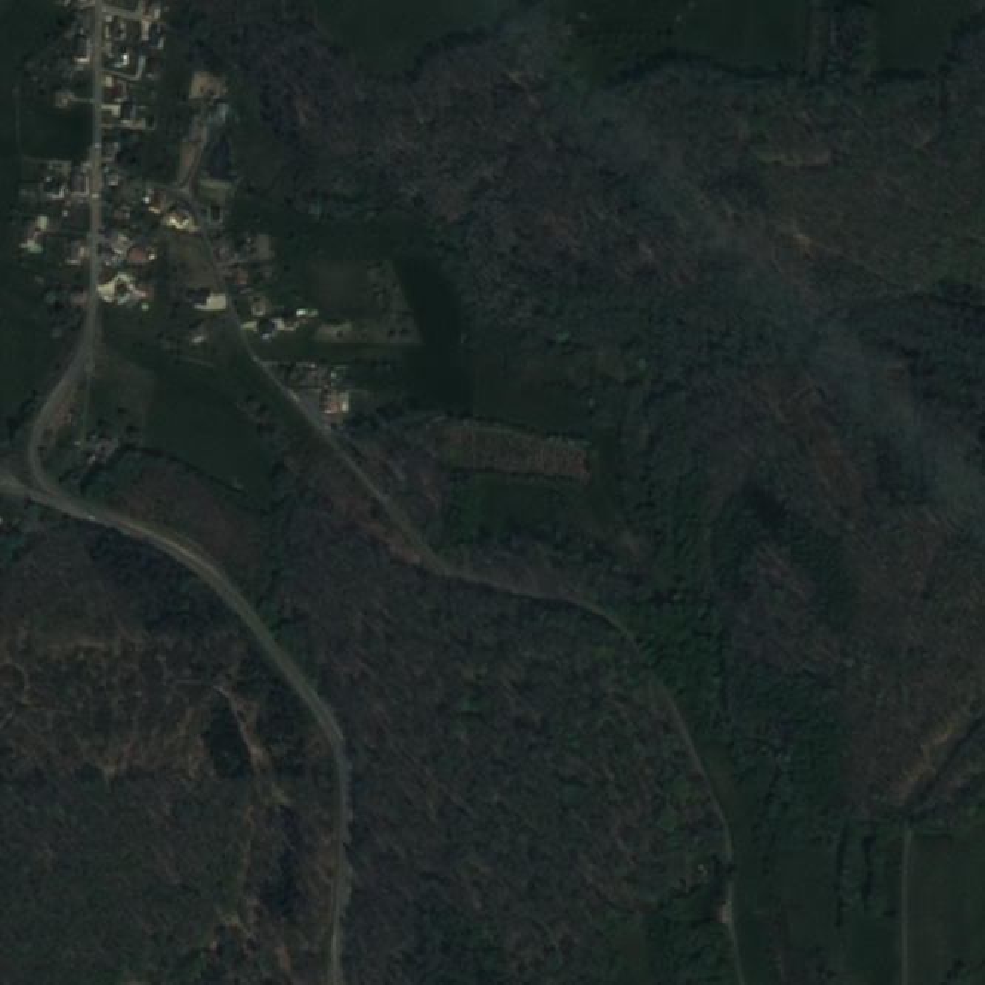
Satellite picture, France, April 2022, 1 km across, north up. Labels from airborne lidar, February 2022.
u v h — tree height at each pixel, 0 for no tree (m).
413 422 26
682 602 10
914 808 0
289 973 0
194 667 12
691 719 6
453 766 28
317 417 0
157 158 0
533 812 0
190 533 17
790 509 28
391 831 0
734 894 0
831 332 21
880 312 25
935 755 0
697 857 34
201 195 0
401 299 0
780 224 23
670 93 8
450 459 23
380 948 0
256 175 0
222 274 0
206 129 0
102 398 0
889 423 16
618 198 23
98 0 0
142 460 16
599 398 10
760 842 8
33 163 0
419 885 0
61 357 0
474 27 0
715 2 0
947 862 0
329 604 29
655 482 18
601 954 28
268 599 16
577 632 30
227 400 0
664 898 25
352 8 0
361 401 0
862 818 25
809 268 25
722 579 17
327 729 0
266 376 0
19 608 23
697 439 33
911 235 21
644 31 0
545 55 27
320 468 0
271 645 0
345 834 0
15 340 0
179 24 0
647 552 0
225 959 23
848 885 17
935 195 19
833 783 23
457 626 30
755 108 31
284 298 0
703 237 27
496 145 12
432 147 25
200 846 0
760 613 30
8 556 29
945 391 25
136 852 0
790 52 0
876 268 25
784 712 27
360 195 0
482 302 16
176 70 0
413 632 27
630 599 31
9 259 0
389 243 0
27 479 0
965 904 0
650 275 18
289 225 0
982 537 23
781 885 0
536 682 28
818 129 25
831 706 28
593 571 33
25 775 0
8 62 0
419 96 27
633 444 7
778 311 18
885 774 0
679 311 24
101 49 0
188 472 15
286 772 8
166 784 0
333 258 0
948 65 0
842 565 23
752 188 23
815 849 9
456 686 30
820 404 0
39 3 0
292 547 26
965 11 0
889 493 23
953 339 24
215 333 0
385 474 0
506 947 25
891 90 28
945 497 30
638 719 32
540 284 23
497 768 0
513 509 0
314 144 8
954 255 22
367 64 0
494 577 28
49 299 10
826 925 0
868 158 24
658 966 7
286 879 29
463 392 0
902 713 0
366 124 25
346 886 0
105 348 0
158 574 32
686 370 20
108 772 0
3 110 0
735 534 22
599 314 23
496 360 0
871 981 0
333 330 0
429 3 0
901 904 0
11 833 24
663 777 30
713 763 0
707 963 29
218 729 11
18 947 0
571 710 25
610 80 0
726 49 0
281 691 22
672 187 17
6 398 0
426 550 0
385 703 0
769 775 9
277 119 26
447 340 0
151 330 0
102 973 0
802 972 0
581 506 0
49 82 0
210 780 0
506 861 0
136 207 0
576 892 28
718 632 16
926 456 18
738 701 28
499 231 28
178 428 0
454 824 27
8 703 8
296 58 24
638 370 10
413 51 0
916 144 26
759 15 0
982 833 0
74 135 0
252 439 0
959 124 29
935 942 0
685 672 8
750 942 0
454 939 24
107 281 0
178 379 0
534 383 0
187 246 0
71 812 0
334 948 0
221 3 25
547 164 28
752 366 24
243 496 9
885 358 25
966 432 31
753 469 33
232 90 0
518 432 6
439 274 0
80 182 0
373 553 28
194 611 28
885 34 0
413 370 0
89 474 0
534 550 35
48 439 6
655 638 10
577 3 0
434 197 21
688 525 23
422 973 27
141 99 0
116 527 0
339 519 26
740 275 30
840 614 23
